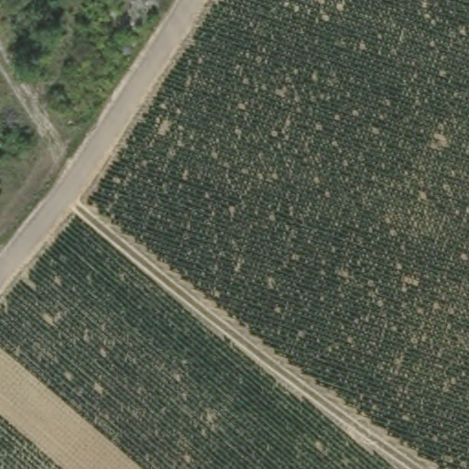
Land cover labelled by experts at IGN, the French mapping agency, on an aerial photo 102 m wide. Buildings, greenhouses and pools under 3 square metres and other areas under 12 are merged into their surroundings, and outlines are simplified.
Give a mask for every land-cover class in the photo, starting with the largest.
<instances>
[{"label":"vineyard","instance_id":"1","mask_svg":"<svg viewBox=\"0 0 469 469\"><path fill-rule=\"evenodd\" d=\"M207 15L203 18L202 26L183 42L187 49L181 53L176 66L165 77L152 104H143V108L139 110V114L136 115L137 125L126 137V147L117 152V159L99 181L97 191L88 196V203L95 205L99 214L106 216L112 224L119 225L123 233L134 236L137 244L147 245L148 251H152L159 260L167 262L170 269L178 271L183 280L191 282L194 289L202 291L205 299L213 300L218 308L227 311L229 317H234L242 326H249L251 335L262 339L266 346H271L275 354L286 357L289 365L299 366L304 376H311L317 385L337 392V396H341L346 405L357 409L359 414H365L374 425L416 449L420 456L436 462V469H469V0H209L205 4ZM18 282L13 289L0 297V469H392L383 456L368 453L363 445L352 440L339 425L326 418L321 410L315 409L308 399H299L295 394H291L275 377L269 376L253 359H249L244 352H240L236 346L229 343V339L218 337L213 330L205 328L191 311L183 308V304L158 286L139 267L134 266L125 255H121L108 244L103 236L95 233L92 227L84 224L81 218L75 216L71 224L55 238V242L38 256L35 267L29 273L26 269L20 271L16 277Z\"/></svg>","mask_w":469,"mask_h":469},{"label":"deciduous trees","instance_id":"2","mask_svg":"<svg viewBox=\"0 0 469 469\"><path fill-rule=\"evenodd\" d=\"M174 0H156V4L148 11H139L136 26L130 27L128 0H0V38L13 57V79L29 84L31 90L37 93L38 101L48 104L49 121L59 130L60 141L68 147L66 152L70 158L81 145L82 139L92 130L104 104L114 93L115 86L132 66L139 51L147 44L152 31L158 26L159 18L169 11ZM38 136L35 126L31 125L29 117L18 103L15 93L7 88L4 79L0 77V159L20 158L22 152H26L31 145L37 143Z\"/></svg>","mask_w":469,"mask_h":469},{"label":"herbaceous vegetation","instance_id":"3","mask_svg":"<svg viewBox=\"0 0 469 469\"><path fill-rule=\"evenodd\" d=\"M130 27L136 26L139 11H148L156 4V0H128ZM55 143L53 136L46 132L44 136H38L37 143L31 145L26 152H22L20 158L0 159V249L9 242V238L26 220L27 214L31 213L37 207V203L53 189L55 181L59 180L60 172L64 170L70 158L66 152L59 159V163H53L48 147ZM75 216L81 218L84 224L92 227L95 233L103 236L108 244L121 255H125L134 266L139 267L158 286L183 304V308L191 311L205 328L213 330L218 337L229 339V343L236 346L240 352H244L249 359H253L269 376L275 377L291 394H295L299 399H308L315 409L321 410L326 418L339 425L352 440L363 445L368 453L383 456L392 469H436V462L420 456L416 449L374 425L365 414H359L357 409L346 405L341 396H337V392L317 385L311 376H304L299 366L289 365L286 357L275 354L271 346H266L262 339L251 335L249 326H242L234 317H229L227 311L218 308L213 300L205 299L202 291L194 289L191 282L183 280L178 271L170 269L167 262L159 260L152 251H148L147 245L137 244L134 236L123 233L119 225L112 224L106 216L99 214L92 218L84 209H77L75 214Z\"/></svg>","mask_w":469,"mask_h":469},{"label":"impervious surface","instance_id":"4","mask_svg":"<svg viewBox=\"0 0 469 469\"><path fill-rule=\"evenodd\" d=\"M209 0H174L169 11L159 18L158 26L152 31L147 44L139 51L132 66L115 86L114 93L104 104L92 130L82 139L81 145L70 158L64 170L60 172L59 180L55 181L53 189L37 203V207L31 213L27 214L26 220L9 238V242L0 249V297L13 289L18 282L16 277L20 271L26 269L29 273L35 267L38 256L55 242V238L71 224L75 216V214L70 209L73 200L79 198L88 203V196L97 191L99 181L117 159V152L126 147V137L137 125L136 115L139 114V110L143 108V104H152L165 77L176 66L181 53L187 49L183 42L202 26L203 18L207 15L205 4Z\"/></svg>","mask_w":469,"mask_h":469},{"label":"pervious surface","instance_id":"5","mask_svg":"<svg viewBox=\"0 0 469 469\"><path fill-rule=\"evenodd\" d=\"M13 57L0 38V77L4 79L7 88L15 93L18 103L29 117L31 125L35 126L38 136H44L46 132L53 136L55 143L48 147L53 163H59V159L66 152L68 147L60 141L59 130L49 121L48 104L38 101L37 93L31 90L29 84L13 79ZM70 209L75 214L77 209H84L92 218L99 214L95 205L88 203L79 198L73 200Z\"/></svg>","mask_w":469,"mask_h":469}]
</instances>
